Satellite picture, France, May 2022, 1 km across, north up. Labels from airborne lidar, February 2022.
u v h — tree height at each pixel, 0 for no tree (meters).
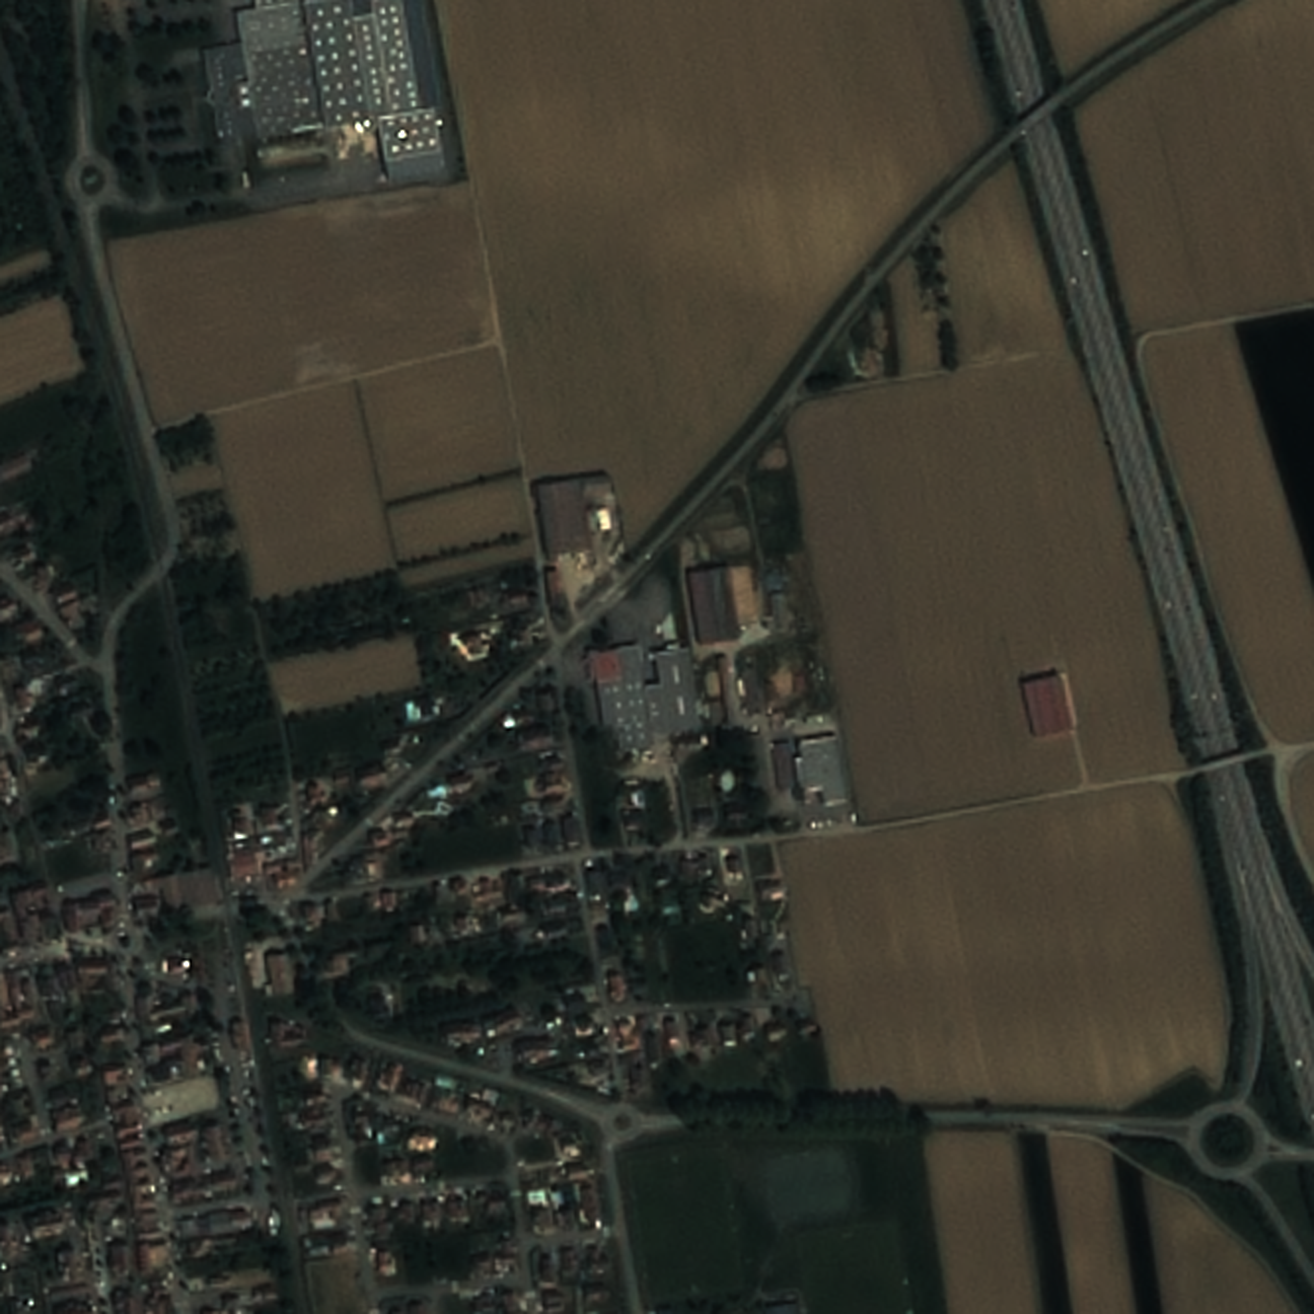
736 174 0
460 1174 0
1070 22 0
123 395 0
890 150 0
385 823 0
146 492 0
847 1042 0
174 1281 0
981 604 0
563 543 0
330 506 0
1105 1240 0
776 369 0
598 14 0
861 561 0
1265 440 0
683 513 0
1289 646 0
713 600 0
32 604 0
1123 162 0
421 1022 10
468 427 0
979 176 0
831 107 0
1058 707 0
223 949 0
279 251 0
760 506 0
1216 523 0
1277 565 0
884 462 0
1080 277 0
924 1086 0
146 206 0
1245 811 0
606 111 0
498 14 0
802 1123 19
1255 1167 0
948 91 0
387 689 0
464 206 0
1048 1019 0
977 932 0
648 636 0
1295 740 0
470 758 0
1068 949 0
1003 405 0
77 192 0
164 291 0
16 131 12
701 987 0
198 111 0
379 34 0
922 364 0
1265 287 0
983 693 0
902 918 0
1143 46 0
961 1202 0
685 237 0
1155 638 0
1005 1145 0
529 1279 0
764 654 0
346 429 0
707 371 0
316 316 0
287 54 0
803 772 0
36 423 0
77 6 0
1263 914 0
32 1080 0
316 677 0
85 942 0
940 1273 0
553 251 0
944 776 0
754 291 0
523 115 0
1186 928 0
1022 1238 0
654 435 0
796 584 0
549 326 0
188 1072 0
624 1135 0
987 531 0
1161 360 0
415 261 0
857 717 0
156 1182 0
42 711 7
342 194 0
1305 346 0
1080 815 0
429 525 0
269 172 0
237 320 0
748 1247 0
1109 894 0
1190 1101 0
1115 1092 0
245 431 0
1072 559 0
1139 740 0
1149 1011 0
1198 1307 0
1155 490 0
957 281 0
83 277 0
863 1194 0
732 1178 0
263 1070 0
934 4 0
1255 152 0
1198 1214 0
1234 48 0
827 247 0
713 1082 0
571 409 0
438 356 0
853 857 0
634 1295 0
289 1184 0
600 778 0
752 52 0
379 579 7
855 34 0
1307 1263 0
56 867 0
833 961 0
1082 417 0
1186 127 0
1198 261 0
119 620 0
